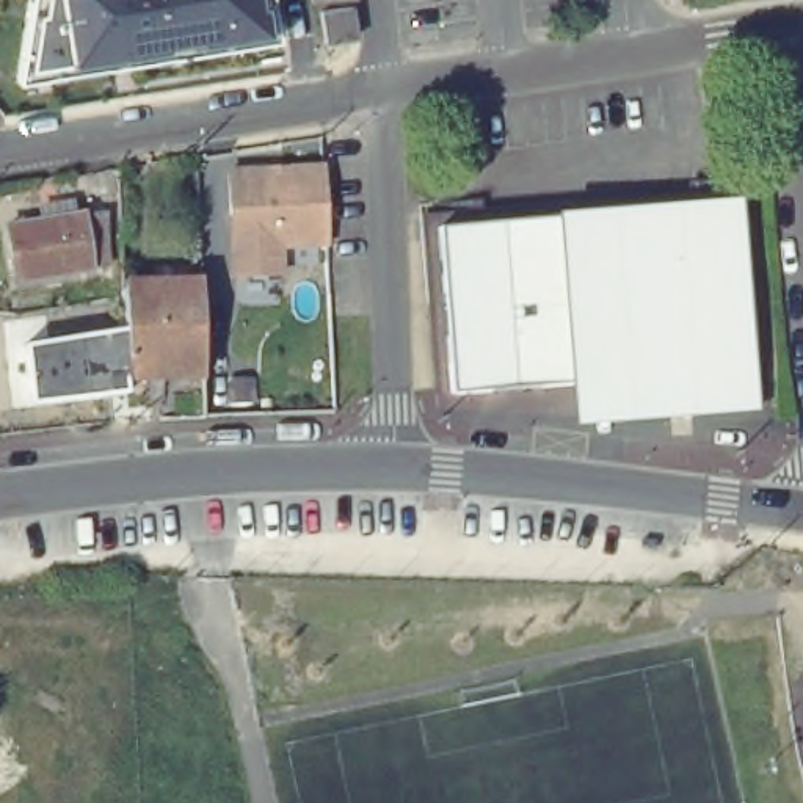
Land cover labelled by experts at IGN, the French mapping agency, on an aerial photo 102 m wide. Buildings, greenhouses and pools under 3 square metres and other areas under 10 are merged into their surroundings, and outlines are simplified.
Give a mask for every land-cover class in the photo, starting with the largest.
<instances>
[{"label":"impervious surface","instance_id":"1","mask_svg":"<svg viewBox=\"0 0 803 803\"><path fill-rule=\"evenodd\" d=\"M574 3H583L602 22L590 35H583V44H571L565 31L552 28V13L568 9ZM282 22L289 25L282 31L289 38V50H279V56L273 60H260L245 69L188 72L185 66H122L116 78V97L185 91L257 75H279V85L273 88L223 91L194 104L135 107L113 116L78 122L66 119L63 113L53 119L25 122L22 113L0 110V248L9 289L44 285L53 292L72 282L110 279L119 267H100V276L82 270L56 276H25L16 263L13 220L16 213H22L25 220H35L41 213V204L50 198L75 201L78 210L88 213L119 210L122 191V179L116 173L122 160H141L144 166H151L169 151H185L198 160V173L185 179V191L198 198L201 235V276H207L210 298V420L173 414L176 395L182 392L173 383H163L160 395L135 392L125 405L113 411L110 430L100 433H88L69 423L63 427L60 417L35 423H0V552L22 546L28 540L31 555H44V546H72L75 540L91 543L97 533L104 546H119L122 555H138L141 540L176 536L191 552V565L182 568V618L191 624L198 646L226 684L251 803H279L270 750L263 737L267 731L389 703L427 699L436 693L461 706L467 703L471 690L508 687L511 693H521V681H527L530 674H549L555 668H568L577 662L706 640V627L718 618H765L772 609H781L778 596L784 590L772 580L765 590L737 596H725L721 590H693L699 596V605L681 624H674L671 630L643 634L634 643L574 649L499 668H483L471 674L408 684L383 693L336 699L311 709H282L257 715L254 674L242 640L245 612L238 609L232 590V571H242L232 558V546L238 533L248 530L326 533L339 524H348L361 533L389 527L414 533L417 518L430 511L461 514L464 521H471L474 536H555L590 546L593 533L599 530L605 533V552L618 549V540H640L643 546H659L665 555L674 558L681 555L684 543L706 536L734 543L740 555L753 552L756 546L750 540V527H778L803 533V6L759 9L740 19L734 13H703L696 19H681L674 13H665L656 0H358V22L364 28L358 44V63L345 75H336L317 60V50L332 44L326 3L307 0H279ZM728 38H759L794 63L800 100V163L794 185L775 198L778 232L784 238L781 267L787 273L784 326L790 358L797 402L794 420L775 417V367L768 267L759 201L747 204L762 383L759 411L615 420L605 433H599L596 423L580 420L577 389L571 386H496V392L489 395L449 392V317L442 298L439 226L552 216L583 207L709 198L712 182L703 166L699 129V66L706 53ZM430 94L461 97L477 129V141L471 144V166L477 173V182L461 194L442 201L411 194L405 182L402 110ZM304 122H317L320 135L238 144V135ZM231 160L238 166H326L332 198V242H339V263L329 267L314 285L317 301L323 295H332V314L370 320L373 358V386L370 395L361 398V411H339L336 417H285L289 411H273L270 398H263L260 392L251 395V405L245 408H226V380H251L257 373L229 351L232 301L276 304V298L289 295L282 285H273L267 292L254 282H242L232 292L226 267V213L232 210ZM411 210L423 213L430 292L427 320L433 367L430 389H417L411 380ZM122 326L119 295L97 298L88 304L50 307L31 317H13L3 326V336L16 408H35L41 398L38 373H19V364L35 354V332L47 329V336H66Z\"/></svg>","mask_w":803,"mask_h":803},{"label":"herbaceous vegetation","instance_id":"2","mask_svg":"<svg viewBox=\"0 0 803 803\"><path fill-rule=\"evenodd\" d=\"M28 6L25 0H0V110L22 113L25 122L53 119L63 113L75 104H97L116 97V78L60 85L44 94L22 91L16 82V69ZM116 173L122 179V191L138 204L132 248L141 251L138 263L129 273L125 267H119L110 279L72 282L53 292L44 285L9 289L0 248V314L13 317H31L50 307L88 304L97 298L119 295L132 285L129 276H201V235L194 238L182 223H176L179 213L173 204L185 191V179L198 173V160L185 151H169L151 166H144L141 160H122ZM229 351L257 373L260 392L263 398H270L273 411H289L320 408V398L329 395V370H323L320 364L323 358H329L326 326L323 307H317L314 320H298L292 301L289 295L276 298V304L232 301ZM339 411H361V398L370 395L373 386V358L370 320L332 314ZM60 417L63 427L69 423L88 433H100L110 430L113 411L110 402L35 408H16L0 411V423H35ZM772 580L784 590L803 593V549H784L768 543L756 546L753 552L740 555L721 565L712 577L684 571L668 580L242 571H232V590L238 609L245 612L242 640L254 674L257 715L282 709H311L336 699L383 693L408 684L471 674L483 668H499L574 649L634 643L643 634L671 630L674 624L665 615L640 618V605L646 599H671L681 590H721L725 596H737L765 590ZM583 596L605 605H621V630L583 624L577 615ZM514 599H565L568 609L558 615V630L543 637L533 630L536 618H524L518 627L505 630L483 627V605H511ZM182 568H151L147 583H138L129 602L97 605L94 615H47L50 605L41 599L28 577L0 580V740L9 737L16 762L25 765V778L16 787L0 790V803H251L226 684L198 646L191 624L182 618ZM775 634V618H718L706 627V640L577 662L568 668H555L549 674H530L527 681H521V693H511L508 687L471 690L467 703L461 706L436 693L427 699L389 703L267 731L263 737L270 750L279 803H803V768L794 731L787 737H778L772 725L768 637Z\"/></svg>","mask_w":803,"mask_h":803},{"label":"building","instance_id":"3","mask_svg":"<svg viewBox=\"0 0 803 803\"><path fill-rule=\"evenodd\" d=\"M28 6L16 69V82L22 91L44 94L60 85L116 78L122 66H185L245 53H257L260 60H273L279 56V50H289V38L282 31L289 25L282 22L279 0H25ZM326 3L332 44H358L364 28L358 22V0H307ZM232 210L226 213V267L232 292L242 282H254L263 276L273 279L285 263V251L298 248H317L320 260H326L329 267L339 263V242H332V198L326 166H238L231 160ZM119 210L88 213L78 210L75 201L50 198L41 204V213L35 220H25L22 213H16L13 220L16 263L25 276H56L82 270L100 276V267H125L129 245L116 238ZM442 298L449 317V392L489 395L496 392V386H571L577 389L580 420L596 423L599 433H605L615 420L759 411L762 383L747 204L743 198H709L583 207L552 216L439 226ZM132 285L119 295L122 326L66 336H47V329L35 332V354L19 364V373H38L41 398L35 408L110 402L113 411L125 405L135 392L160 395L163 383H173L182 392L176 395L173 414L210 420V298L207 276H129ZM317 307H323L326 326L329 358H323L320 364L323 370H329V395L320 398V408L289 411L285 417H336L339 411L332 314V295H323L317 301ZM260 392L257 373L251 380H226V408H245L251 405V395Z\"/></svg>","mask_w":803,"mask_h":803},{"label":"pervious surface","instance_id":"4","mask_svg":"<svg viewBox=\"0 0 803 803\"><path fill-rule=\"evenodd\" d=\"M665 13H674L681 19H696L703 13H734L740 19L759 9L803 6V0H656ZM358 44H332L317 50V60L336 75H345L358 63ZM279 85V75H257L185 91L116 97L97 104H75L63 113L66 119L78 122L113 116L135 107L194 104L223 91L273 88ZM320 135L317 122H304L238 135V144ZM411 380L417 389H430L433 367L427 320L430 292L423 213L411 210ZM329 267L326 260H320L317 248H298L285 251V263L273 279L263 276L254 282L267 292L273 285H282L289 295L292 301L298 289H304V282L314 285ZM13 317L0 314V411L16 408L3 336V326ZM232 558L242 571L668 580L684 571L712 577L721 565L740 555L734 543L706 536L684 543L681 555L674 558L665 555L659 546H643L640 540H618V549L605 552V533L599 530L593 533L590 546L555 536H474L471 521H464L461 514L430 511L417 518L414 533L389 527L361 533L348 524H339L326 533L248 530L238 533L232 546ZM750 540L756 546L768 543L784 549H803V533L778 527H750ZM122 555L119 546H104L97 533L91 543L75 540L72 546H44V555H31L28 540L22 546L0 552V580L28 577L60 561H104ZM138 555L151 568H182L191 565V552L176 536L141 540ZM699 605V596L693 590H681L671 599H646L640 605V618L665 615L674 624H681ZM781 609H772L765 618H775V634L768 637L772 725L778 737H787L794 731L803 768V593L784 590L778 596ZM577 615L583 624L621 630V605H605L583 596ZM568 609L565 599H514L511 605H483V627L505 630L518 627L524 618H536L533 630L543 637L558 630V615ZM25 778V765L16 762L9 737L0 740V790L16 787Z\"/></svg>","mask_w":803,"mask_h":803},{"label":"deciduous trees","instance_id":"5","mask_svg":"<svg viewBox=\"0 0 803 803\"><path fill-rule=\"evenodd\" d=\"M602 22L583 3H574L568 9L552 13V28L565 31L571 44H583V35H590ZM699 129L703 166L712 182L709 198H743L747 204L759 201L768 194L775 198L794 185L800 163V100L794 63L759 38H728L706 53L699 66ZM260 60L257 53H245L185 66L188 72L245 69ZM477 141V129L461 97L430 94L402 110L405 182L411 194L442 201L461 194L477 182V173L471 166V144ZM138 204L122 191L119 210L116 238L129 245L125 267L129 273L138 263L141 251L132 248ZM179 213L176 223H182L194 238L201 235L198 198L185 191L173 204ZM775 417L794 420L797 402L790 358L775 367ZM151 568L138 555H122L104 561H60L28 577L41 599L50 605L47 615H94L97 605L129 602L138 583H147Z\"/></svg>","mask_w":803,"mask_h":803},{"label":"brushwood","instance_id":"6","mask_svg":"<svg viewBox=\"0 0 803 803\"><path fill-rule=\"evenodd\" d=\"M768 267L775 367L790 358L784 326L787 273L781 267L784 238L778 232L775 198L768 194L759 201Z\"/></svg>","mask_w":803,"mask_h":803},{"label":"swimming pool","instance_id":"7","mask_svg":"<svg viewBox=\"0 0 803 803\"><path fill-rule=\"evenodd\" d=\"M298 320H314L317 307V301L314 285L304 282V289H298L292 301Z\"/></svg>","mask_w":803,"mask_h":803}]
</instances>
